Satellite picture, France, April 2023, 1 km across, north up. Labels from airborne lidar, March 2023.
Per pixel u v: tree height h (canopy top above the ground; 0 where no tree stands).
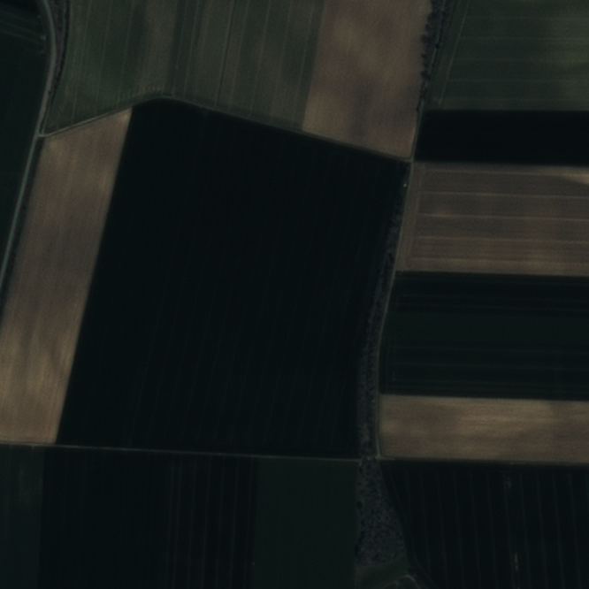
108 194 0
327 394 0
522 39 0
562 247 0
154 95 0
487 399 0
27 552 0
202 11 0
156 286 0
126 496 0
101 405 0
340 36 0
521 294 0
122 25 0
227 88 0
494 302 0
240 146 0
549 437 0
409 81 0
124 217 0
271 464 0
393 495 0
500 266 0
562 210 0
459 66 0
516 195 0
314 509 0
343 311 0
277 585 0
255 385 0
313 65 0
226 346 0
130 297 0
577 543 0
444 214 0
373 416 7
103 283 0
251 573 0
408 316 0
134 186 0
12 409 0
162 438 0
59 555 0
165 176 0
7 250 0
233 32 0
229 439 0
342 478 0
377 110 0
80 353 0
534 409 0
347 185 0
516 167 0
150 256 0
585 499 0
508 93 0
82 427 0
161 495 0
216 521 0
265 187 0
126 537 0
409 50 0
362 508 10
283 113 0
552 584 0
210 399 0
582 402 0
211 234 0
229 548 0
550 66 0
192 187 0
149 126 0
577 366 0
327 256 0
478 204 0
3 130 0
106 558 0
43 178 0
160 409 0
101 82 0
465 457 0
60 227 0
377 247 0
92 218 0
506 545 0
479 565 0
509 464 0
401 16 0
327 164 0
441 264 0
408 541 0
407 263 0
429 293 0
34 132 0
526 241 0
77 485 0
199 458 0
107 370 0
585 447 0
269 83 0
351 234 0
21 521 0
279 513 0
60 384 0
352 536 0
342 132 0
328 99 0
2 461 0
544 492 0
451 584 0
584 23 0
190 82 0
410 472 0
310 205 0
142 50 0
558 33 0
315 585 0
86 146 0
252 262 0
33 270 0
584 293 0
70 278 0
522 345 0
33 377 0
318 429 0
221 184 0
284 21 0
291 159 0
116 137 0
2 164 0
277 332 0
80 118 0
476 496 0
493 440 0
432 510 0
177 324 0
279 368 0
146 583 0
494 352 0
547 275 0
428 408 0
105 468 0
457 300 0
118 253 0
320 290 0
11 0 0
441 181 0
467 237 0
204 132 0
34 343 0
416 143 0
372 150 0
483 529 0
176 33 0
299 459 0
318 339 0
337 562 0
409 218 0
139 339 0
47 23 0
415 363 0
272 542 0
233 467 0
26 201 0
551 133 0
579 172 0
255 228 0
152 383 0
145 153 0
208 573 0
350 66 0
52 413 0
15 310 0
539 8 0
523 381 0
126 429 0
